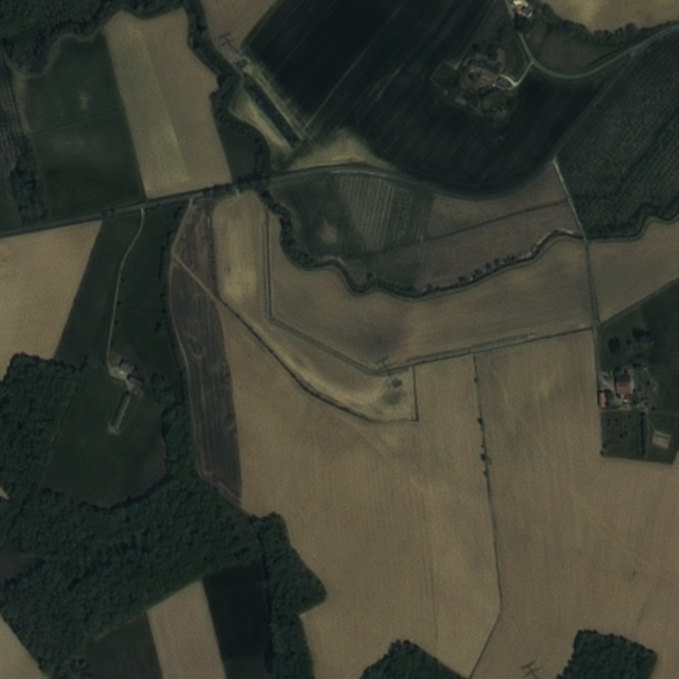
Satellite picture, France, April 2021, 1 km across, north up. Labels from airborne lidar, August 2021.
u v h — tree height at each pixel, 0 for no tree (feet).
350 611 0
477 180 0
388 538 0
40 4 59
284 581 61
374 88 0
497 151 0
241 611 0
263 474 0
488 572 0
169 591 47
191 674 0
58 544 65
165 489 58
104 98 0
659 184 64
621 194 59
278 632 59
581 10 0
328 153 0
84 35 69
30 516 62
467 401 0
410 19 0
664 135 60
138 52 0
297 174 0
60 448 0
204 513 71
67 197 0
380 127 0
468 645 0
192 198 0
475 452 0
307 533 0
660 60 61
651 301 0
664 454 0
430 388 0
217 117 24
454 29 0
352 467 0
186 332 0
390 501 0
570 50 0
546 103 0
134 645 0
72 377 47
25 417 63
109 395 0
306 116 0
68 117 0
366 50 0
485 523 0
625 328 0
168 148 0
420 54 0
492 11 0
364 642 0
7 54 71
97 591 66
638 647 42
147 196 0
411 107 0
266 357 0
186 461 80
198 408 0
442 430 0
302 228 0
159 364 0
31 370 70
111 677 0
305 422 0
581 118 0
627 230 45
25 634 43
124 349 0
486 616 0
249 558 84
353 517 0
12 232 0
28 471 45
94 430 0
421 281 0
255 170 30
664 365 0
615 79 0
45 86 0
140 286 0
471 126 0
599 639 49
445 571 0
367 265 0
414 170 0
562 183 0
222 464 0
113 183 0
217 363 0
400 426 0
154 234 0
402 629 0
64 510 50
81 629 61
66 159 0
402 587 0
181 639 0
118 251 0
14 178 41
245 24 0
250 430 0
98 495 0
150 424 0
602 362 0
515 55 0
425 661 40
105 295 0
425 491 0
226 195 43
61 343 0
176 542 77
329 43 0
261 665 0
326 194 0
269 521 32
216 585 0
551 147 0
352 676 0
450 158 0
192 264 0
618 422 24
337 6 0
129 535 74
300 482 0
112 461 0
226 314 0
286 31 0
